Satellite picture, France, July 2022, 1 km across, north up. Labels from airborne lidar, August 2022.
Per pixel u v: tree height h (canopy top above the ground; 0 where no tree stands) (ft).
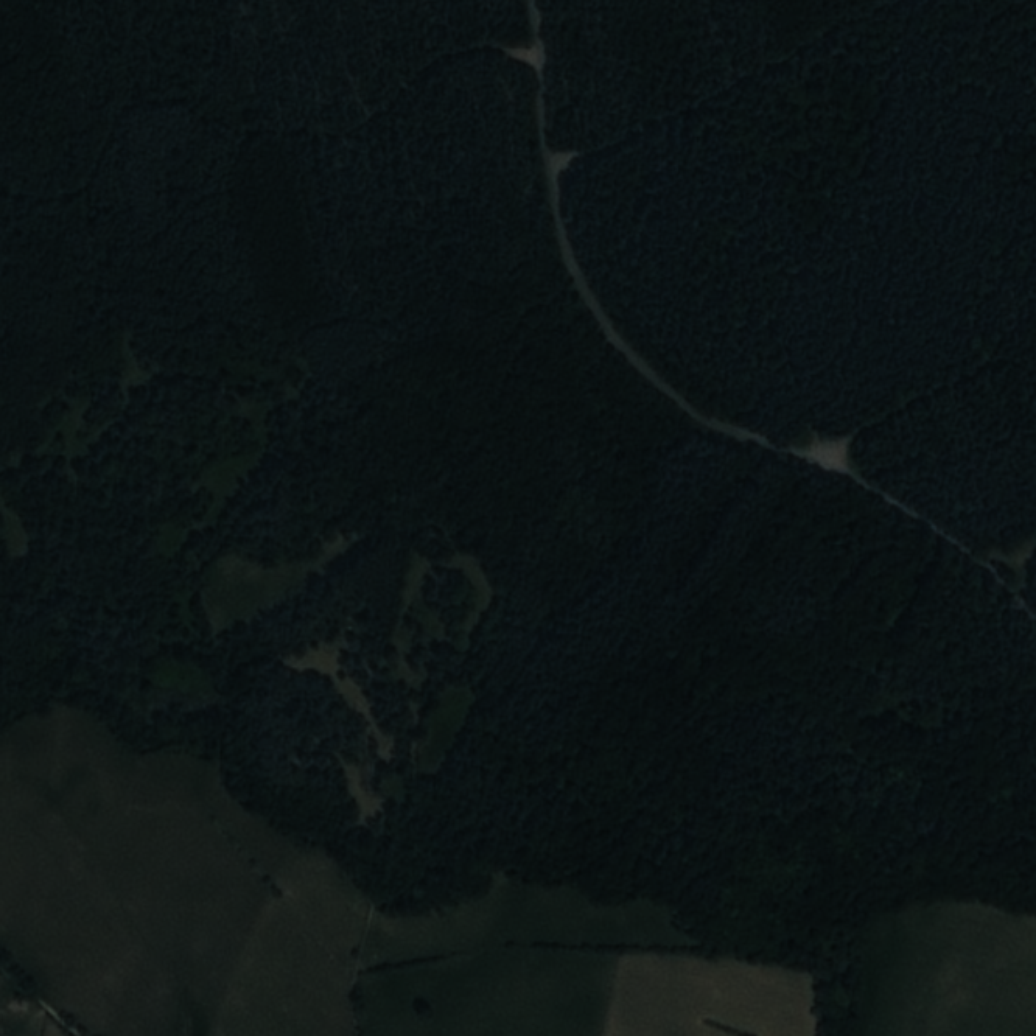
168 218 51
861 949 28
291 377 42
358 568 75
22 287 58
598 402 42
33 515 44
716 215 56
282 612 36
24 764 0
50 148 51
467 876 78
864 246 70
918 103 74
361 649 35
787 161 47
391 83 56
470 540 41
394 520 58
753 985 0
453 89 43
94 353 37
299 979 0
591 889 73
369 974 19
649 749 77
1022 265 54
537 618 59
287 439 68
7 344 53
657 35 67
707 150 77
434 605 61
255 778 45
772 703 60
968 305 58
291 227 53
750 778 71
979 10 70
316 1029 0
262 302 53
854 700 71
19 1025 0
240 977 0
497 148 45
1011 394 39
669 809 30
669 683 63
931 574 73
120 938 0
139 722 20
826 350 74
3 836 0
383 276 65
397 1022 0
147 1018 0
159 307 60
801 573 68
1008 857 83
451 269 61
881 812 77
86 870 0
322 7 60
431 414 63
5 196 57
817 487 82
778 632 97
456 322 78
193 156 61
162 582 41
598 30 53
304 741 53
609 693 71
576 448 39
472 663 49
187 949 0
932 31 64
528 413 49
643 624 80
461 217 70
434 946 0
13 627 75
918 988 0
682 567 59
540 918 0
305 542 52
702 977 0
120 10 65
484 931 0
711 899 64
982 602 45
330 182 73
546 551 52
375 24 62
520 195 70
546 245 67
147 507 43
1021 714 58
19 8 44
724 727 90
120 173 54
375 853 38
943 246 73
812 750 60
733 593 82
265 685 35
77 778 0
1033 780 68
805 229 52
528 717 83
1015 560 0
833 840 61
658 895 85
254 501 28
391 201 71
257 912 0
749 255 60
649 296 75
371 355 41
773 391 77
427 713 37
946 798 87
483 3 54
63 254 44
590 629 103
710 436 18
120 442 26
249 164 50
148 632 62
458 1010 0
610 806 61
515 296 65
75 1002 0
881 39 63
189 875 0
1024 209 93
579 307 33
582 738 54
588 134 51
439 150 64
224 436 20
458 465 66
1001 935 0
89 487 30
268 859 0
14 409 64
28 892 0
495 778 41
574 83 63
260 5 73
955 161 72
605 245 36
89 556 65
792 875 36
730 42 64
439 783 52
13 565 30
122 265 62
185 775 0
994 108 73
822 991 37
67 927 0
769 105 78
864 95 58
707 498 64
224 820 0
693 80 51
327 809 23
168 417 58
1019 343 78
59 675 24
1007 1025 0
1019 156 78
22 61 57
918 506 69
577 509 62
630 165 87
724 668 76
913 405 77
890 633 63
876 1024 0
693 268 69
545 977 0
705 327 57
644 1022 0
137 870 0
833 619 68
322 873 0
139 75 50
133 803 0
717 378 63
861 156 71
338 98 75
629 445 37
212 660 60
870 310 90
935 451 60
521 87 58
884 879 64
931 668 64
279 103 60
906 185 79
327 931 0
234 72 60
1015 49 59
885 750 55
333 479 62
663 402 54
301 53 71
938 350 85
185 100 29
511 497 62
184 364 32
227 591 0
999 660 92
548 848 46
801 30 60
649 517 67
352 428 39
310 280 60
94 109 56
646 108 58
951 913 0
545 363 57
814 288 65
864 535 74
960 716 54
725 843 46
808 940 40
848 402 75
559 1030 0
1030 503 56
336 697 25
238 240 52
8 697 31
